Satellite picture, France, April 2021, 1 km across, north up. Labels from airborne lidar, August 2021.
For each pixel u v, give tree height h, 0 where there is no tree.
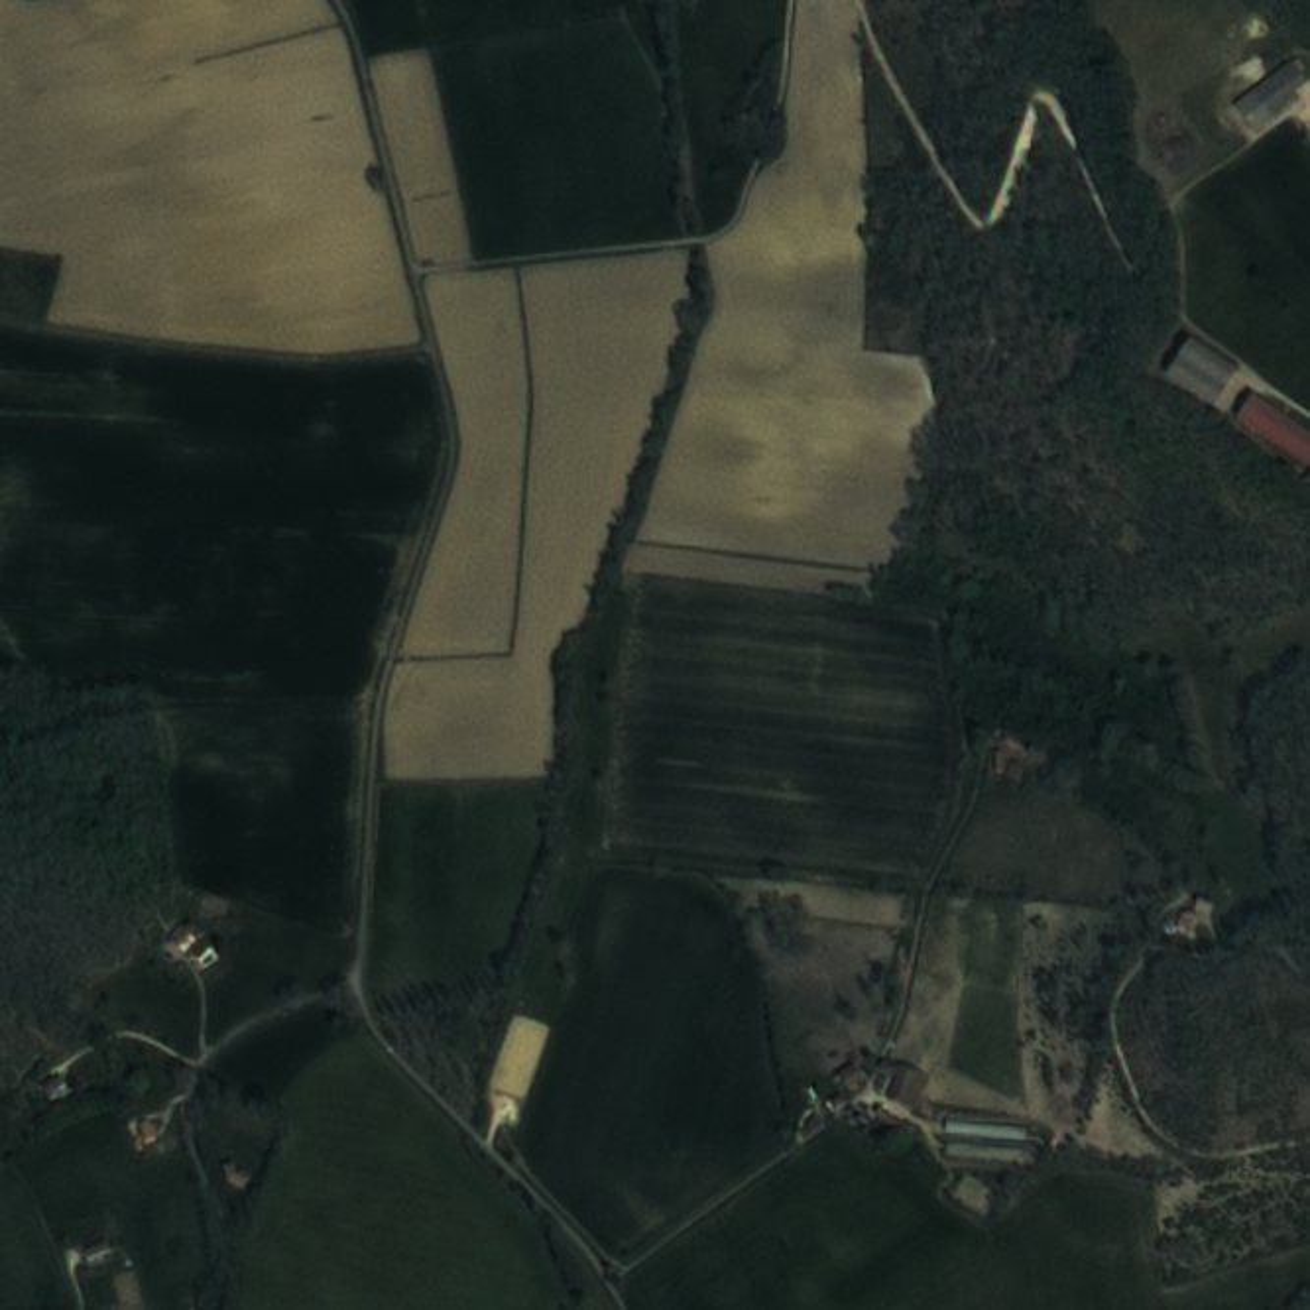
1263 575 9
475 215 0
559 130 0
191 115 0
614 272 0
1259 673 0
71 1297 0
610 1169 0
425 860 0
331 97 0
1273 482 13
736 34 0
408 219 0
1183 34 0
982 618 9
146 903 20
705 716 0
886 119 0
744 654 0
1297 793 12
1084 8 13
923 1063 0
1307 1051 0
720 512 0
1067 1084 14
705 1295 0
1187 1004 7
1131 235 11
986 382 6
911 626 0
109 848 19
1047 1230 0
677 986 0
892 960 0
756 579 0
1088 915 0
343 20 0
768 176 0
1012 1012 0
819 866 0
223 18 0
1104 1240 0
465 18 0
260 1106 19
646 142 0
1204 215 0
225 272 0
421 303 0
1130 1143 0
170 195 0
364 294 0
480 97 0
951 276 8
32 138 0
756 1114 0
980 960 0
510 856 0
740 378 0
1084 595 13
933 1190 0
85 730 24
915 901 0
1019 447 11
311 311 0
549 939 0
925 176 12
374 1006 0
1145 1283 0
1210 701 0
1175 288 18
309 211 0
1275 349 0
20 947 23
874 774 0
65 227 0
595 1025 0
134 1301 0
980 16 9
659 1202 0
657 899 0
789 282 0
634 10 0
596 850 0
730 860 0
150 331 0
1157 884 0
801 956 0
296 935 0
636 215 0
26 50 0
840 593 11
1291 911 20
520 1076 0
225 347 0
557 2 0
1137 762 18
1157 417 11
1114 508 15
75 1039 14
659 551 0
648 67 0
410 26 0
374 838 0
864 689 0
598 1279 0
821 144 0
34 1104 12
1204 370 0
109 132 0
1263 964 15
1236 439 13
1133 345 13
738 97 0
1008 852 0
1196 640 0
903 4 11
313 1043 0
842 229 0
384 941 0
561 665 13
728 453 0
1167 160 0
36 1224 0
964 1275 0
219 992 0
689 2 8
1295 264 0
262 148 0
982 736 13
